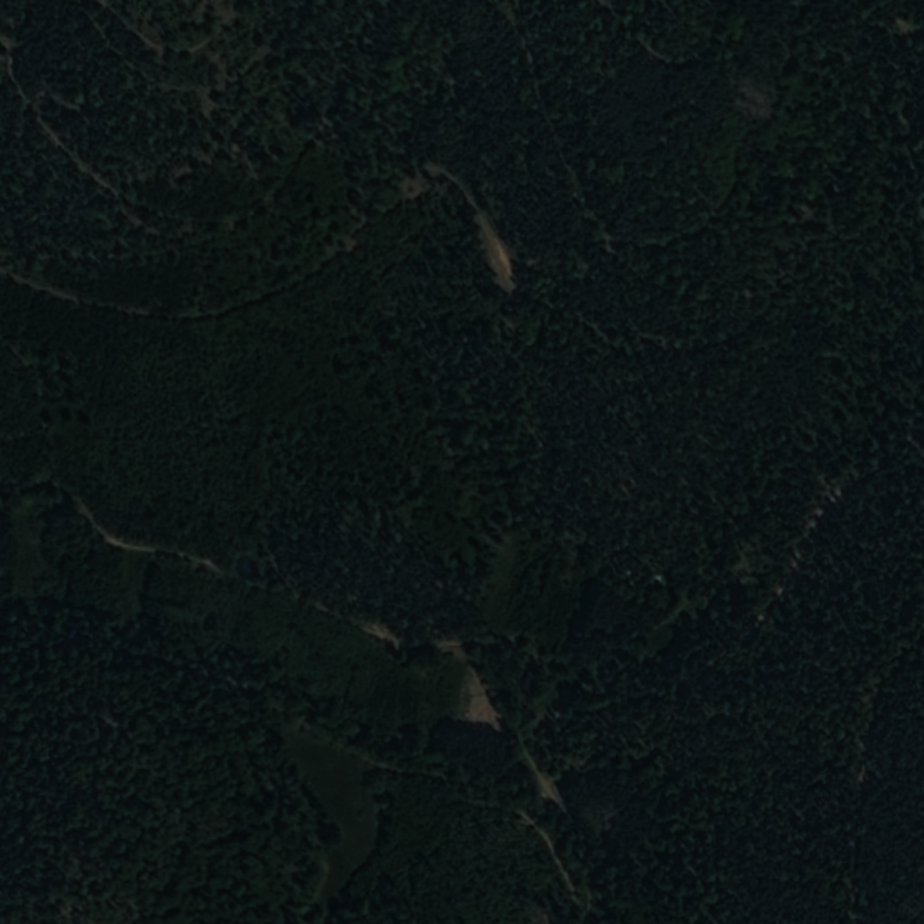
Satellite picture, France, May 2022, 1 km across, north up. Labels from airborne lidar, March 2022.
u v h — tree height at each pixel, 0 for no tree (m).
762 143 24
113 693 33
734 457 26
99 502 14
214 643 19
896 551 34
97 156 27
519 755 21
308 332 7
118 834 28
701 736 28
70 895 24
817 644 34
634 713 28
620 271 24
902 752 24
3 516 31
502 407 34
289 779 42
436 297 14
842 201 33
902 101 15
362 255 11
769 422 29
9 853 28
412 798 12
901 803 23
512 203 24
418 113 31
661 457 26
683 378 26
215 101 20
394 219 10
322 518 6
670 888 34
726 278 25
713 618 39
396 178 35
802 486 30
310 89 33
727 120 23
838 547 34
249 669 38
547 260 24
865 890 20
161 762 34
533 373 19
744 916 29
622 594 25
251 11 27
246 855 32
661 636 0
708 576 27
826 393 30
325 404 12
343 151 30
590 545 30
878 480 30
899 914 18
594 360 26
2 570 8
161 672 34
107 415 10
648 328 27
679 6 21
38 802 32
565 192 26
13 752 30
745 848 28
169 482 8
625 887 25
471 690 0
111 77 20
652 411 30
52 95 19
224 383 6
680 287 19
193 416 7
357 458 13
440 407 35
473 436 36
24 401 12
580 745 16
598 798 30
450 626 28
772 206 30
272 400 14
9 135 14
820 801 27
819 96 20
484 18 29
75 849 32
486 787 28
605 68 22
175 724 40
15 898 25
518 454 38
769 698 28
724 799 27
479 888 11
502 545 0
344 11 36
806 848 27
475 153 27
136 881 28
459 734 33
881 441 35
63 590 9
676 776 31
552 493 34
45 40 11
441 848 6
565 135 22
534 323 23
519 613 6
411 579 30
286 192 10
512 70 26
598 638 29
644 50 21
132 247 21
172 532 13
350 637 22
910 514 32
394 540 33
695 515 36
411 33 29
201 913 35
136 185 16
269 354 12
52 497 33
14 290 13
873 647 31
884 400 12
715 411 25
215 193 14
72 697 33
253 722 38
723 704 23
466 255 32
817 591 28
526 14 22
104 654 34
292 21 20
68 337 16
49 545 12
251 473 10
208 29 23
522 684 27
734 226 30
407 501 16
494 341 30
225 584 14
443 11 29
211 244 8
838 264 35
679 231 21
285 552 27
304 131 34
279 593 21
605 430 29
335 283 12
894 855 23
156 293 13
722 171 24
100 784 31
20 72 15
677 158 23
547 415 30
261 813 27
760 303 25
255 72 6
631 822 35
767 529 27
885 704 14
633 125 21
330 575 33
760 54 25
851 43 25
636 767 31
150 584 17
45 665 35
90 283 13
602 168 19
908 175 40
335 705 26
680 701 27
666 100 15
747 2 22
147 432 6
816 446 29
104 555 16
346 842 0
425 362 33
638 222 25
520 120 26
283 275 19
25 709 35
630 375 26
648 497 29
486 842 29
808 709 28
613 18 26
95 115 24
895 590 36
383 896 10
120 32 21
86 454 8
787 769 29
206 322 11
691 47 20
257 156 12
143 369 7
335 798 0
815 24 29
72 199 27
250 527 12
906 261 26
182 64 13
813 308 17
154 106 22
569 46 26
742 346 26
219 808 37
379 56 34
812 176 27
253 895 41
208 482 10
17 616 38
